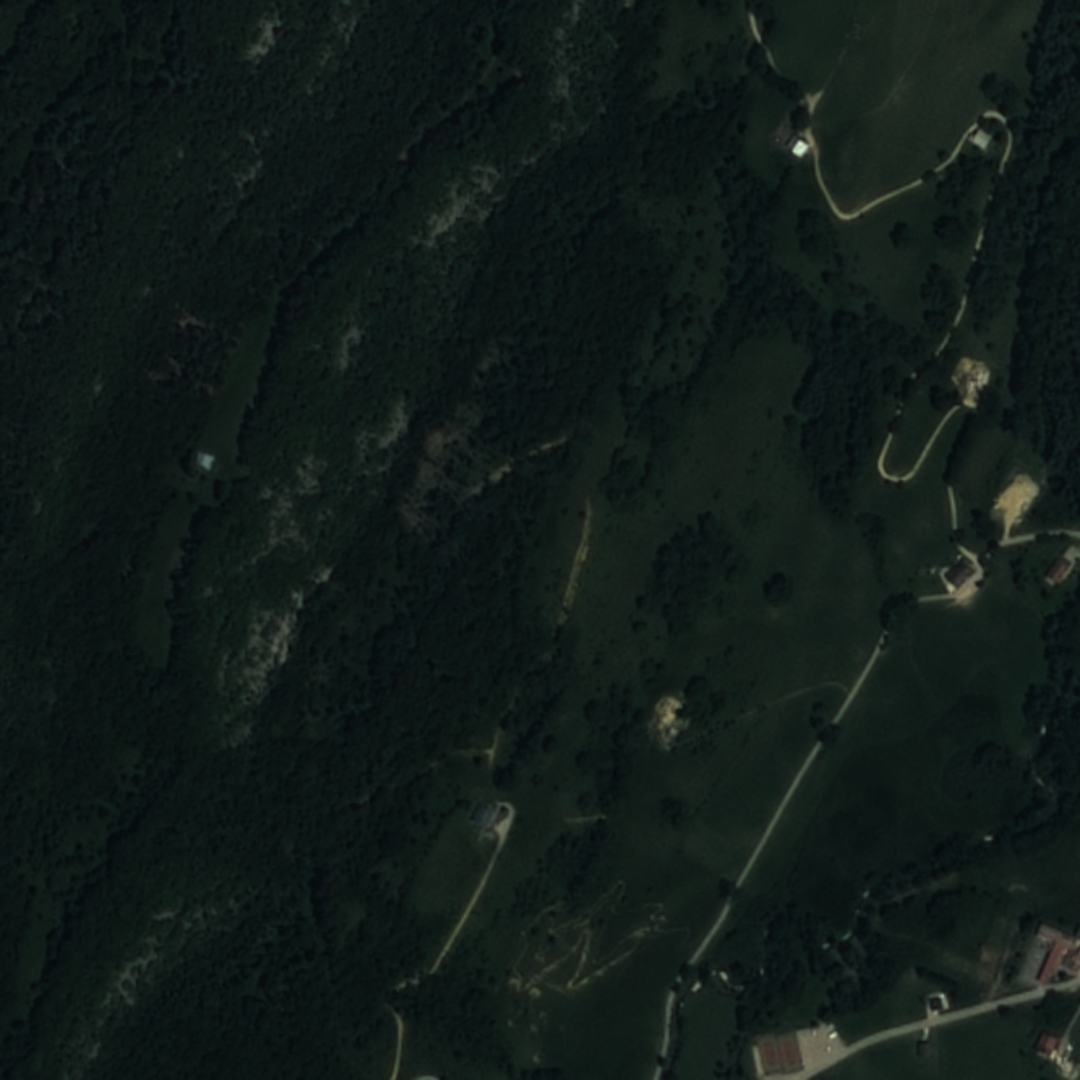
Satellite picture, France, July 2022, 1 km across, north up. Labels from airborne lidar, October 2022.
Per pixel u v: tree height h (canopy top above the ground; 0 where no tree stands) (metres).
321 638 8
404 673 26
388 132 20
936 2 0
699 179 20
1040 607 0
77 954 24
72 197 27
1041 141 25
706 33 0
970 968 0
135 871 26
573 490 0
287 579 15
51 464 10
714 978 14
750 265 18
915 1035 0
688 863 0
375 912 7
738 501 0
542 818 0
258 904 13
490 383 21
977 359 0
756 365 0
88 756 21
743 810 0
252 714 9
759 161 0
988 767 7
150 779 6
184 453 15
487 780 0
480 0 27
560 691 13
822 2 0
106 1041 8
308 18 9
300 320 23
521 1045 0
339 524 8
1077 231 7
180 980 21
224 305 25
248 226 11
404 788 7
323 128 9
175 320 21
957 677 0
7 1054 17
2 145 24
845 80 0
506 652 24
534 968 0
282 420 12
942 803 0
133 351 15
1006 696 0
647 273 17
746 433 0
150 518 15
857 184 0
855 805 0
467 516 26
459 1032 14
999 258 26
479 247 10
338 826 21
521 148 12
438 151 25
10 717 14
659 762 0
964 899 11
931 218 0
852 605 0
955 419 0
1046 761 14
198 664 11
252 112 19
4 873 22
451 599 22
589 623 0
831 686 0
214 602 7
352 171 23
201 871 17
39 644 18
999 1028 0
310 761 27
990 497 0
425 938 14
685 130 22
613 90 10
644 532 0
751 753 0
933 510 0
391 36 18
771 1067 0
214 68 20
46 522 8
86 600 17
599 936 0
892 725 0
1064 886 0
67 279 22
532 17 19
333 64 10
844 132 0
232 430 0
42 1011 21
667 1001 0
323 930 19
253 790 24
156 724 26
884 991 19
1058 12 29
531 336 22
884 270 0
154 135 16
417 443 20
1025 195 22
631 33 19
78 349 12
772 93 0
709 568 25
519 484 21
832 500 23
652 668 17
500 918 6
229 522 17
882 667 0
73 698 15
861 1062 0
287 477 7
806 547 0
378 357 18
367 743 17
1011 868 0
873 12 0
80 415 10
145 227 11
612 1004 0
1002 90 25
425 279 9
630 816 0
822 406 25
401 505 25
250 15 17
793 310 30
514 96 26
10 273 19
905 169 0
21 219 27
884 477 0
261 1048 27
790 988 20
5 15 8
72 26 24
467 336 23
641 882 0
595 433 21
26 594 15
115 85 23
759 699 0
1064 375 22
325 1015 7
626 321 8
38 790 18
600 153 18
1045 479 0
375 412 9
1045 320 18
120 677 29
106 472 21
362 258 15
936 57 0
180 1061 25
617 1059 0
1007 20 0
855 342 29
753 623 0
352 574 17
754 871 0
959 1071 0
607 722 24
